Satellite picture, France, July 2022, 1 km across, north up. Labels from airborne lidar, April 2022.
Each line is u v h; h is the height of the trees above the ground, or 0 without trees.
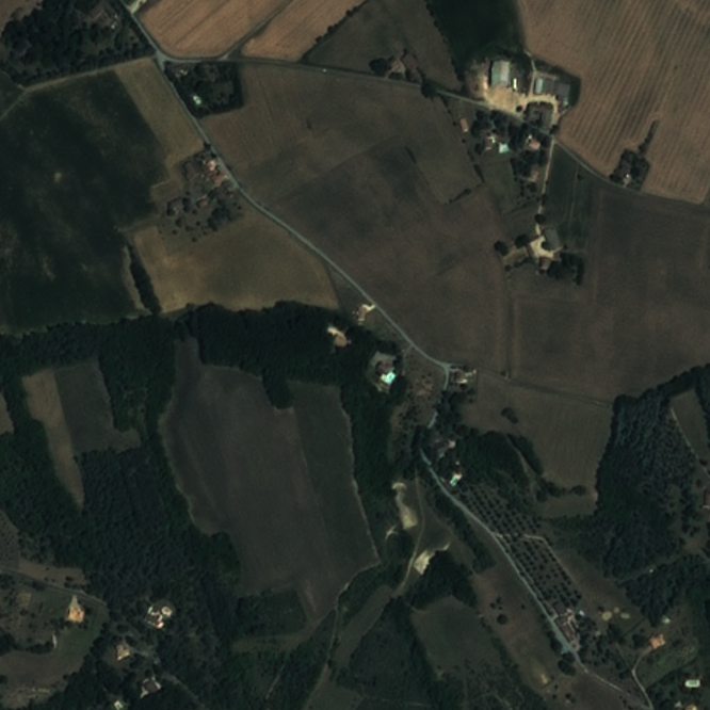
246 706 7
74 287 0
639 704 0
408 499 0
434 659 0
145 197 0
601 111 0
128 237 0
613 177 10
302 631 0
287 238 0
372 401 12
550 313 0
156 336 19
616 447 15
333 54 0
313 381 7
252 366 10
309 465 0
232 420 0
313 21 0
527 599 0
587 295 0
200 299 0
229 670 11
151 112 0
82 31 10
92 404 0
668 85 0
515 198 0
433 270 0
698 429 0
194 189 0
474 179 0
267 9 0
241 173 0
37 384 0
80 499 0
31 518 13
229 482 0
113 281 0
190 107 12
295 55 0
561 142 0
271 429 0
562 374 0
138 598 15
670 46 0
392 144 0
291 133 0
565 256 15
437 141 0
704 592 6
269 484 0
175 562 16
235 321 18
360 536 0
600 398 0
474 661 0
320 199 0
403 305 0
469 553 0
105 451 7
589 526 6
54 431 0
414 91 0
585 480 0
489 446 14
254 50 0
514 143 15
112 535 16
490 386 0
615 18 0
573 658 8
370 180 0
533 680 0
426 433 12
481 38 0
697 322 0
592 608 0
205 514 0
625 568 13
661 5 0
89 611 11
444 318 0
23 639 0
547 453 0
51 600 0
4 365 16
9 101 0
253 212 0
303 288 0
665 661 0
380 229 0
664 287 0
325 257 0
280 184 0
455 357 0
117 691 13
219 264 0
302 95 0
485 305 0
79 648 0
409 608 7
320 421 0
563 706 0
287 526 0
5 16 0
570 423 0
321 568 0
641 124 0
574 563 0
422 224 0
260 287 0
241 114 0
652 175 0
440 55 0
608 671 0
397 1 0
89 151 0
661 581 14
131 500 16
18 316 0
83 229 0
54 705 10
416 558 0
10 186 0
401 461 6
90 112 0
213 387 0
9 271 0
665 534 10
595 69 0
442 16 0
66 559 13
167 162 0
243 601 14
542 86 0
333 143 0
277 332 16
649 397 14
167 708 11
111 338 14
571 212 0
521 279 0
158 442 14
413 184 0
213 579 16
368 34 0
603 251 0
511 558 0
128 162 0
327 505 0
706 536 0
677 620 0
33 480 13
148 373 11
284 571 0
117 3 17
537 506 0
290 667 9
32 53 9
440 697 12
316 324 20
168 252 0
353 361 11
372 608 0
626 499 9
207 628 14
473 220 0
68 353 15
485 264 0
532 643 0
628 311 0
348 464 0
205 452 0
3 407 0
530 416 0
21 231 0
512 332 0
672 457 20
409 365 0
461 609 0
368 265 0
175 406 0
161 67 0
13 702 0
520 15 0
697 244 0
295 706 7
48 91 0
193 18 0
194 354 0
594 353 0
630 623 0
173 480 14
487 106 0
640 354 0
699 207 0
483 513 12
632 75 0
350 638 0
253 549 0
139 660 10
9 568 0
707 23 0
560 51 0
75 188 0
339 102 0
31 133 0
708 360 0
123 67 0
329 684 0
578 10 0
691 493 21
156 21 0
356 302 0
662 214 0
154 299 14
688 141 0
